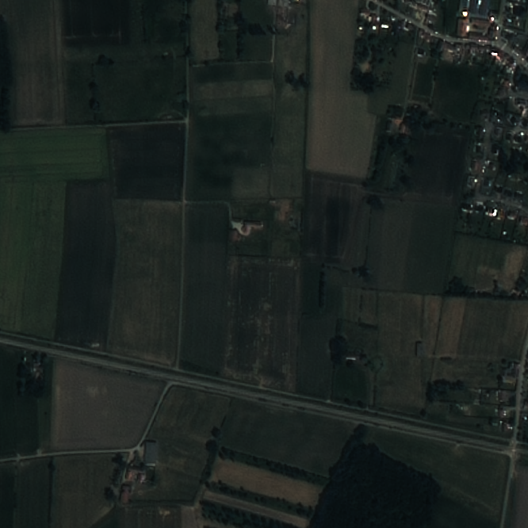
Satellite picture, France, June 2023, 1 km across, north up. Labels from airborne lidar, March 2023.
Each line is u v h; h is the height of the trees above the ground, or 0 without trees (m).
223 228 0
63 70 0
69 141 0
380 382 0
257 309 0
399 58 0
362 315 0
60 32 0
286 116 0
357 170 0
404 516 27
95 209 0
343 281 0
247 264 0
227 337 0
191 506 0
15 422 0
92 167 0
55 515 0
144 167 0
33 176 0
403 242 0
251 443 0
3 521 0
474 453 0
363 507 26
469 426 0
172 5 0
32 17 0
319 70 0
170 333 0
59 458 0
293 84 29
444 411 0
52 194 0
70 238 0
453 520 0
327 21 0
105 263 0
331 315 0
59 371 0
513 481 0
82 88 0
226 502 0
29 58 0
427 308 0
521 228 0
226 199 0
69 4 0
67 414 0
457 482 0
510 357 0
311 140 0
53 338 0
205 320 0
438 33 0
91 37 0
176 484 0
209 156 0
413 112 10
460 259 0
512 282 0
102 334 0
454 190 0
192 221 0
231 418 0
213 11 0
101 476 0
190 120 0
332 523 25
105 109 0
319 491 0
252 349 0
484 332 0
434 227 0
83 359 0
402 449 0
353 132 0
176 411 0
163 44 0
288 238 0
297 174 0
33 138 0
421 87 0
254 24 0
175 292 0
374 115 0
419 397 0
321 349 0
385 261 0
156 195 0
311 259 0
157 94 0
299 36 0
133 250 0
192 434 0
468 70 0
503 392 0
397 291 0
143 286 0
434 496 25
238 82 0
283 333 0
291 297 0
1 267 0
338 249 0
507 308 0
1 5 0
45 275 0
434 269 0
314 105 0
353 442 12
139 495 0
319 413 0
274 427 0
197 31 0
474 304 0
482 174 0
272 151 0
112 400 0
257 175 0
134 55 0
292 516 0
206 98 0
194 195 0
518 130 0
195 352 0
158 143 0
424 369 0
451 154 0
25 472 0
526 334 0
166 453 0
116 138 0
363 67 0
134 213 0
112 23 0
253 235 0
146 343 0
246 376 0
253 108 0
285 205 0
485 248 0
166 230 0
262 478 0
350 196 0
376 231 0
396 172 0
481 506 0
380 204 23
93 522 0
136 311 0
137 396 0
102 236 0
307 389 0
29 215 0
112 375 0
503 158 19
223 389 0
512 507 0
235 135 0
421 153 0
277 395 0
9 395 0
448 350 0
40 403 0
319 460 0
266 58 0
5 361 0
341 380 0
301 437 0
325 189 0
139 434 0
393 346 0
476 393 0
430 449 0
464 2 0
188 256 0
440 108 0
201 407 0
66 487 0
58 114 0
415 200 0
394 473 26
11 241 0
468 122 0
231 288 0
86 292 0
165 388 0
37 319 0
